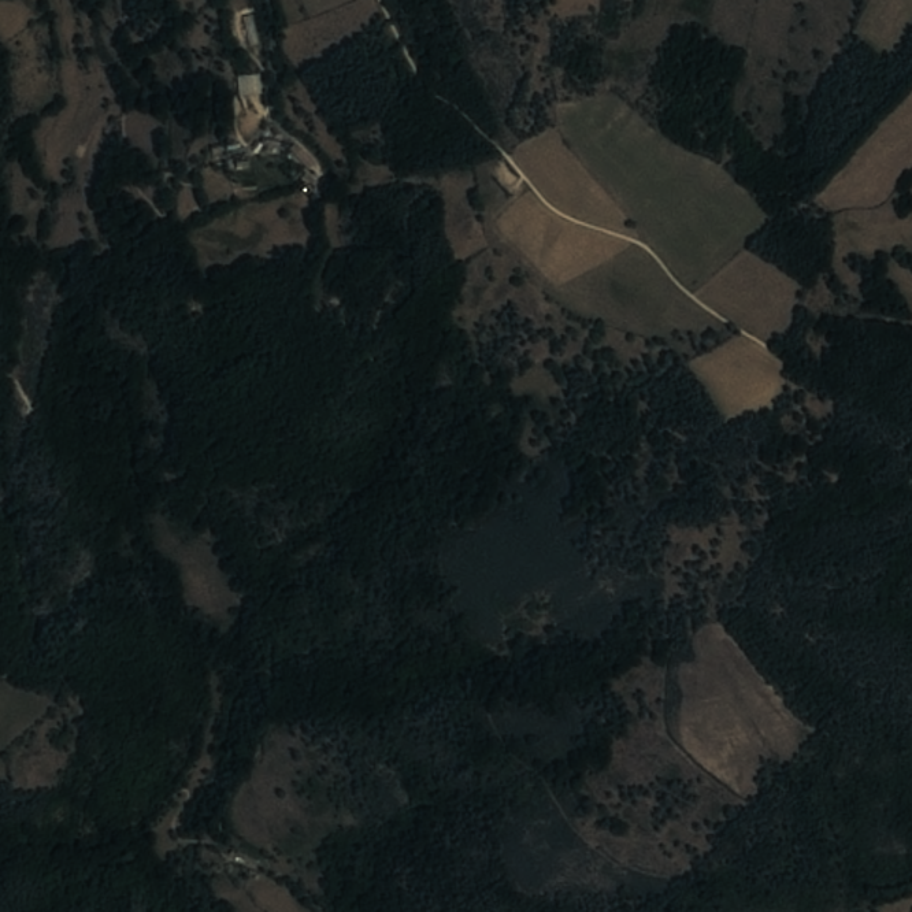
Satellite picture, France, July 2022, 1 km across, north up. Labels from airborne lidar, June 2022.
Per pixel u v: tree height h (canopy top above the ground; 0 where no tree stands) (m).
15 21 0
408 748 0
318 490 15
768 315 0
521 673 12
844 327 20
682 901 19
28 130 13
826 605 16
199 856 8
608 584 0
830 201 0
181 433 18
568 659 19
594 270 0
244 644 12
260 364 15
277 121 16
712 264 0
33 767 0
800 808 20
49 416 14
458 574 0
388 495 21
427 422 14
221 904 14
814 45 0
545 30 0
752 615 14
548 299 6
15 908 18
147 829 22
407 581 9
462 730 16
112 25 0
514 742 11
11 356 14
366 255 22
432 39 12
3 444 11
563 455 13
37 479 8
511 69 0
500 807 7
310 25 0
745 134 12
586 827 0
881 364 23
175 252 19
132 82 16
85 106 0
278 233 0
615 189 0
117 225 13
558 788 9
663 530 8
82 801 18
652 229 0
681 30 15
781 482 14
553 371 15
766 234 14
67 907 20
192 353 15
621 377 9
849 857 6
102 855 23
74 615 12
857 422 17
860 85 20
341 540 13
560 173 0
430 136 19
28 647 20
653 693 0
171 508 10
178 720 12
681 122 14
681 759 0
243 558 17
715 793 0
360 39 15
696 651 0
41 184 11
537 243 0
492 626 0
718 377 0
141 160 14
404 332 17
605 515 12
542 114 12
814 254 17
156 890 18
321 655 14
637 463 13
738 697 0
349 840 7
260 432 14
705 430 18
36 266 14
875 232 0
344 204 10
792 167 13
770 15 0
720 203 0
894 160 0
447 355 17
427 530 16
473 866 8
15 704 0
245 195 0
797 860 7
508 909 7
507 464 14
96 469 20
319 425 14
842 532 13
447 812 9
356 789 15
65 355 9
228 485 12
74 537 14
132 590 17
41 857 18
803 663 16
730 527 0
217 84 19
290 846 0
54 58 16
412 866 9
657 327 0
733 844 16
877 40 0
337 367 10
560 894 11
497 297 0
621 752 0
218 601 0
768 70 0
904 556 21
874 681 16
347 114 16
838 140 22
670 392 21
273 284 11
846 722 16
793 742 0
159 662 16
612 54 0
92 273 25
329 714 21
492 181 0
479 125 15
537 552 0
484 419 11
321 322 17
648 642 8
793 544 13
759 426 18
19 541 14
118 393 21
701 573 12
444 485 10
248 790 0
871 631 14
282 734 0
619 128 0
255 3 8
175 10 18
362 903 15
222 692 12
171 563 11
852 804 10
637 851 0
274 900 0
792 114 10
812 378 15
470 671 15
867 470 19
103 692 16
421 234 21
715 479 16
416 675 6
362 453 13
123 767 20
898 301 17
